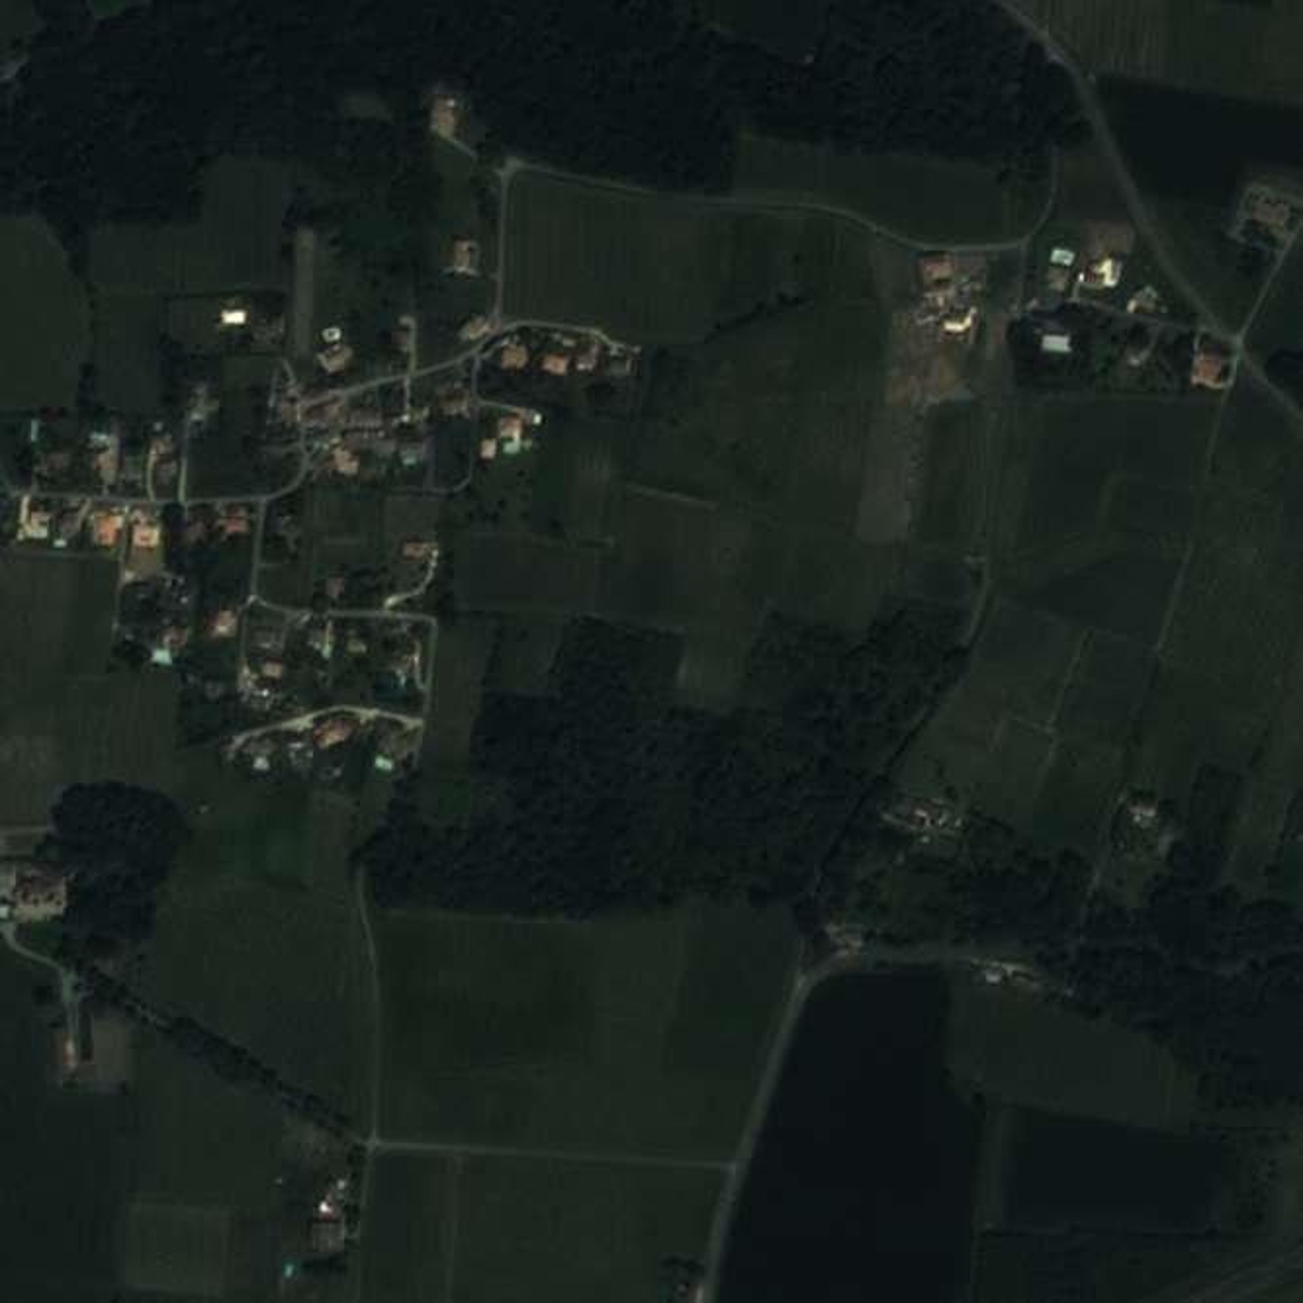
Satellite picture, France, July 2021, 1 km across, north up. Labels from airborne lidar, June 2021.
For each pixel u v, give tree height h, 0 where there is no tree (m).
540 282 0
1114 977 13
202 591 8
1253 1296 0
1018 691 0
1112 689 0
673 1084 0
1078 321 12
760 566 0
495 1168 0
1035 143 10
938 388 0
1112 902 13
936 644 8
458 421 7
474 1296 0
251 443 8
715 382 0
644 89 20
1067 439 0
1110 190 0
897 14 11
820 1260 0
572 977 0
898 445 0
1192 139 0
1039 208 0
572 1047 0
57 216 21
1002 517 0
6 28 0
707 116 9
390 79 22
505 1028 0
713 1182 0
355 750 0
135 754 0
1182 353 14
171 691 0
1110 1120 0
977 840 6
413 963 0
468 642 0
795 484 0
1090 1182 0
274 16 20
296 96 6
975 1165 0
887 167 0
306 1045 0
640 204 0
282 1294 0
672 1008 0
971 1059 0
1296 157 0
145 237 0
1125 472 0
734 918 0
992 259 0
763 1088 0
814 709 14
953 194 0
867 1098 0
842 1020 0
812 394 0
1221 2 0
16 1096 0
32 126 24
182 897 0
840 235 0
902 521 0
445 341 0
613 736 11
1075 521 0
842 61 10
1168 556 0
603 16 22
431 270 6
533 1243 0
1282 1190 0
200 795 0
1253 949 11
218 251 0
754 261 0
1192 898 17
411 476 0
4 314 0
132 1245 0
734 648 0
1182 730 0
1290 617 0
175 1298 0
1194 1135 6
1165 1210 0
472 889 20
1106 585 0
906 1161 0
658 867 8
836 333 0
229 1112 0
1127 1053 0
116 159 24
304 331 0
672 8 12
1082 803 0
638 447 0
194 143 22
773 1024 0
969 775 0
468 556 0
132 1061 0
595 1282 0
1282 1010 9
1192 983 18
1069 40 0
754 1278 0
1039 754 0
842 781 15
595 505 0
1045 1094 0
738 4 0
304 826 0
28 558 0
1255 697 0
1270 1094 12
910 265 0
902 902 0
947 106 7
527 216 0
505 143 6
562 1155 0
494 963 0
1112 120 0
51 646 0
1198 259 0
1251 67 0
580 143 12
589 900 8
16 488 0
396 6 14
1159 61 0
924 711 15
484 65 22
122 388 0
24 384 0
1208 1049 13
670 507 0
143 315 0
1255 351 0
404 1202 0
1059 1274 8
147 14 12
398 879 26
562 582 0
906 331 0
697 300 0
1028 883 12
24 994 0
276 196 0
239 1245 0
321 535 0
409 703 8
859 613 0
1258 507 0
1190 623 0
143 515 0
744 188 0
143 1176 0
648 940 0
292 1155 0
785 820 14
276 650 0
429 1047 0
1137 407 0
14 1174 0
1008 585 0
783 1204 0
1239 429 0
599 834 16
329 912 0
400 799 9
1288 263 0
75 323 0
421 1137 0
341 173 5
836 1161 0
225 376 0
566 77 30
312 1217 0
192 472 0
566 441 0
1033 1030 0
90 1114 0
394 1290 0
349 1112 0
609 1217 0
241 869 0
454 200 0
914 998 0
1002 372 0
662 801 10
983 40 10
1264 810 0
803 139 7
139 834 20
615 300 0
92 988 7
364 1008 0
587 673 18
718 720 5
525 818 9
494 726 11
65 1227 0
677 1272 6
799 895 11
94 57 23
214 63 19
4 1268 0
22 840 0
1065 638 0
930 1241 0
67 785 0
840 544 0
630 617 0
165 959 0
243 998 0
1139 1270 7
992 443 0
